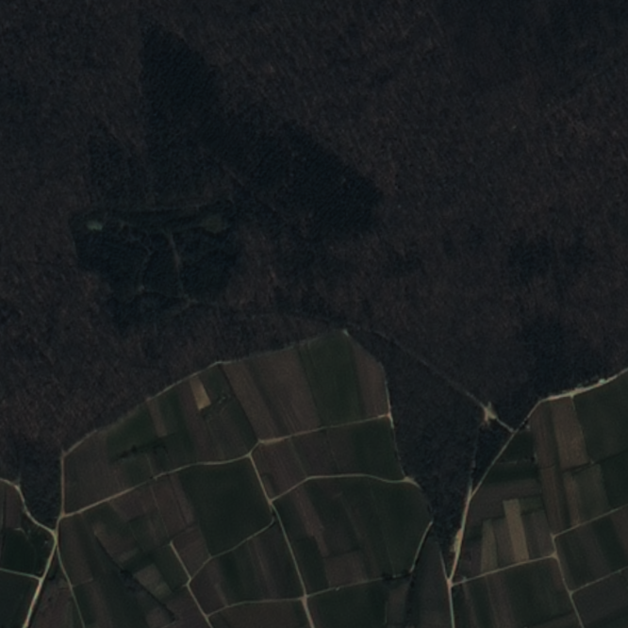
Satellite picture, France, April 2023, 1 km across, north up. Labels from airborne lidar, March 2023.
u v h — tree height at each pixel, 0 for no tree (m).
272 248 17
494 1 12
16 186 23
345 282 17
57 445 21
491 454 9
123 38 19
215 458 0
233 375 0
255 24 25
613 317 21
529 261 14
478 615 0
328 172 14
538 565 0
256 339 18
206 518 0
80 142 17
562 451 0
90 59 16
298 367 0
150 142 20
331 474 0
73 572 0
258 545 0
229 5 23
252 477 0
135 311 13
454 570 0
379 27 24
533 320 16
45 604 0
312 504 0
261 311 21
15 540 0
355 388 0
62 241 20
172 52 13
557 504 0
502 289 19
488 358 25
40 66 18
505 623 0
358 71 20
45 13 22
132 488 0
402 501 0
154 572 0
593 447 0
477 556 0
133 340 23
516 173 22
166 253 15
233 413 0
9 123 19
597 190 16
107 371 29
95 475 0
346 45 19
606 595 0
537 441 0
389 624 0
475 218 18
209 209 12
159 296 11
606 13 11
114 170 13
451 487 13
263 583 0
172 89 14
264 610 0
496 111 18
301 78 25
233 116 14
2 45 17
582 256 18
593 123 15
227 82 18
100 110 21
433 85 20
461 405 22
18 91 19
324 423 0
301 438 0
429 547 0
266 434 0
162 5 21
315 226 14
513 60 13
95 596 0
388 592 0
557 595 0
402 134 21
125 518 0
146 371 26
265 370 0
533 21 13
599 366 10
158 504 0
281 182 12
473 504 0
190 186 17
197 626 0
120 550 0
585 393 0
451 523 9
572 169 19
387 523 0
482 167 16
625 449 0
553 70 13
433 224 18
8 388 27
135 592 10
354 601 0
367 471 0
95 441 0
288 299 21
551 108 17
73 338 26
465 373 20
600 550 0
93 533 0
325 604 0
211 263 9
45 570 0
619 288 24
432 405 23
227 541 0
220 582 0
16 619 0
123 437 0
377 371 0
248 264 20
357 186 16
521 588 0
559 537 0
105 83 18
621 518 0
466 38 12
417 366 23
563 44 12
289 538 0
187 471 0
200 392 0
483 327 23
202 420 0
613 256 19
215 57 22
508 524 0
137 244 10
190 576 0
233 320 18
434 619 0
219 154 12
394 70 18
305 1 28
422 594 0
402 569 0
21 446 20
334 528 0
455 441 20
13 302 31
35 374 24
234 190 18
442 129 22
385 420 0
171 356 26
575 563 0
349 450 0
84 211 13
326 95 21
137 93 21
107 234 11
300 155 13
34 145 23
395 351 17
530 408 6
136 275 12
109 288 21
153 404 0
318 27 28
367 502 0
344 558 0
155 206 12
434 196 22
